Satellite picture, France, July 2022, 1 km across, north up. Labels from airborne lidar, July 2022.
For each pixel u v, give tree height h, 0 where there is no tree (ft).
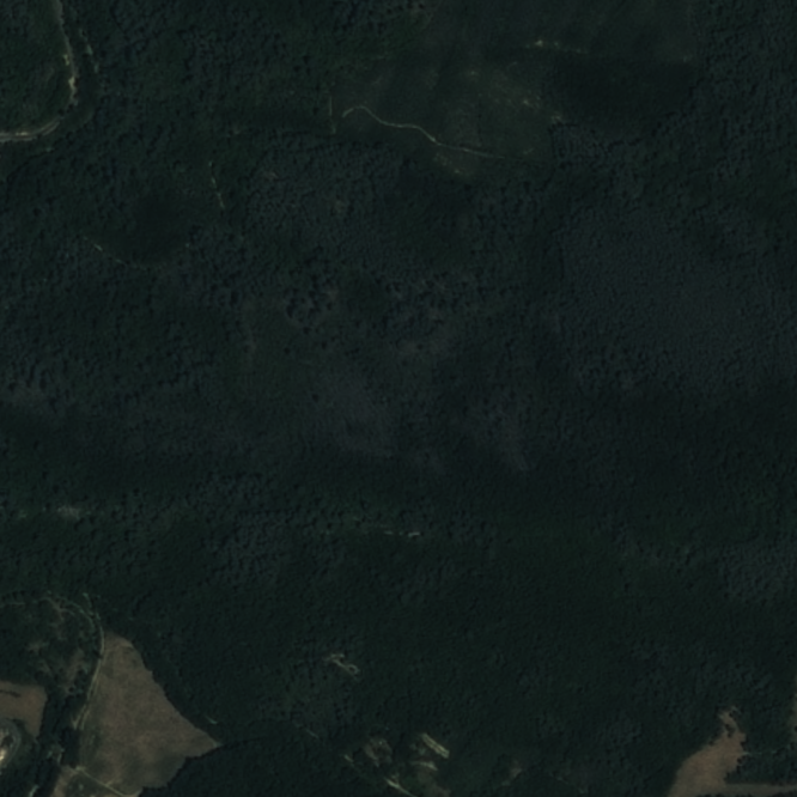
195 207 24
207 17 56
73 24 62
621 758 37
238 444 46
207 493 74
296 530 49
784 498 76
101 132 46
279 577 57
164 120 39
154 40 85
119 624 68
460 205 93
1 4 95
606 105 24
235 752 72
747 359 76
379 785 33
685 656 62
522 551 56
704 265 73
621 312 83
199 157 31
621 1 21
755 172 49
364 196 74
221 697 53
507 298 83
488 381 61
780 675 71
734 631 55
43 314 55
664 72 27
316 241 75
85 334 28
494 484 66
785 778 68
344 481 62
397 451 61
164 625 55
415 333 74
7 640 76
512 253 54
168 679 64
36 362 51
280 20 41
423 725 63
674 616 63
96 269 66
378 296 24
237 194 55
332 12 59
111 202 42
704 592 59
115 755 0
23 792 78
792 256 78
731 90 77
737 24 67
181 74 45
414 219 55
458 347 62
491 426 48
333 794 69
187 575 56
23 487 30
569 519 57
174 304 44
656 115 20
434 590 59
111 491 57
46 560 59
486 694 55
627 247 83
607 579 55
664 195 45
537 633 52
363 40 23
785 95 80
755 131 85
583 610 51
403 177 70
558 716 34
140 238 34
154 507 41
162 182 52
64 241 49
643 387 68
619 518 68
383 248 79
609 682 56
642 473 67
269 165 84
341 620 55
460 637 53
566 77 24
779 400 59
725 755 0
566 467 67
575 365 74
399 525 40
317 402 66
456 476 60
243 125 24
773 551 73
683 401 49
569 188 51
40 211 28
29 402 36
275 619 55
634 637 60
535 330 53
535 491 71
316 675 52
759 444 40
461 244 59
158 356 42
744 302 77
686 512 83
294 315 94
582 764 26
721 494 62
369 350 40
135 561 38
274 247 30
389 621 54
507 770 31
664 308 77
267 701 53
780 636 69
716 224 62
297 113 47
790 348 80
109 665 0
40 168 45
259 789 64
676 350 78
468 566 73
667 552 48
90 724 0
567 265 88
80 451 58
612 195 81
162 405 45
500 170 28
